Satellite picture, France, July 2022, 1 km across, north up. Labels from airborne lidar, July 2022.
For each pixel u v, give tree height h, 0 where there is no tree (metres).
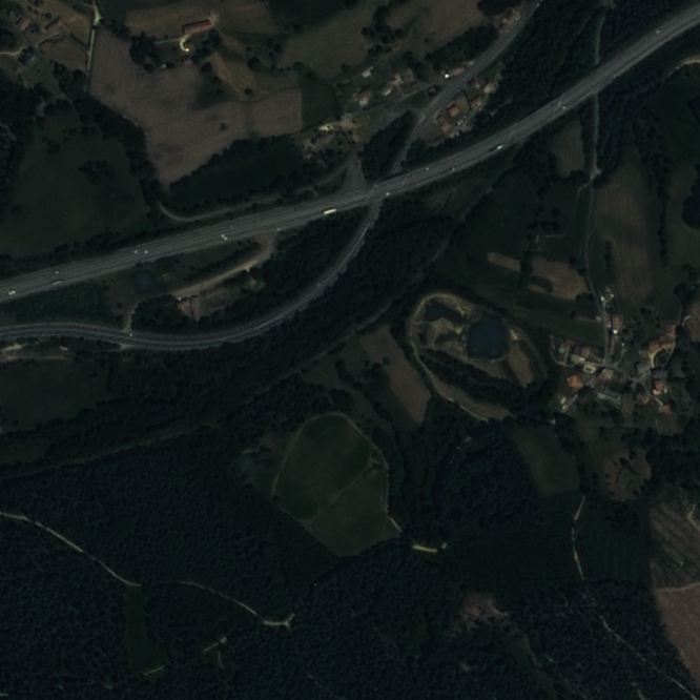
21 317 6
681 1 14
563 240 0
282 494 0
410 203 14
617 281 0
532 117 0
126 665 22
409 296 8
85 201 0
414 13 0
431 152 12
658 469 17
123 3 0
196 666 15
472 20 0
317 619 22
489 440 35
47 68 0
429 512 22
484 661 25
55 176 0
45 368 0
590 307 0
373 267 16
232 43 0
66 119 0
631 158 0
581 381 0
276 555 8
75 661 14
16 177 14
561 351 0
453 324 0
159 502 19
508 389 16
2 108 10
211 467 7
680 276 0
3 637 17
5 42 29
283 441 0
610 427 0
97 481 23
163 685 14
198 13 0
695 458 13
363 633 26
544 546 8
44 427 15
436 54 6
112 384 16
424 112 0
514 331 0
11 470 18
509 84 13
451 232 9
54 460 15
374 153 14
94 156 0
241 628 15
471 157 0
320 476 0
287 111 0
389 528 0
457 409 13
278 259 12
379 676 20
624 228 0
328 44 0
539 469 0
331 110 0
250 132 0
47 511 25
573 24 14
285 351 18
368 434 7
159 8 0
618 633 22
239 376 20
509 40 0
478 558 10
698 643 0
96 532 18
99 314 11
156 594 13
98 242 8
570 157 0
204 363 8
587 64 14
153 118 0
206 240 0
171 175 0
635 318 0
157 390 7
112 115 20
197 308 0
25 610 15
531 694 22
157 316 12
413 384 0
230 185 0
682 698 18
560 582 8
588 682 20
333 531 0
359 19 0
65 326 0
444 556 16
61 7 0
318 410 8
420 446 6
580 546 6
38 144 0
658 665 19
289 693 13
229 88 0
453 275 0
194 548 25
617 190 0
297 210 0
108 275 0
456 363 16
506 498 31
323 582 20
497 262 0
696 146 0
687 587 0
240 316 15
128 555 22
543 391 16
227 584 26
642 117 18
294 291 14
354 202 0
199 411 17
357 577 31
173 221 0
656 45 0
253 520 10
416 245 20
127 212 0
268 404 11
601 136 11
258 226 0
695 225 31
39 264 8
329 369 0
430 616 18
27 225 0
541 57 22
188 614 12
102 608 27
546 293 0
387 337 0
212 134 0
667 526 0
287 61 0
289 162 0
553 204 0
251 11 0
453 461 29
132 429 19
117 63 0
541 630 7
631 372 0
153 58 21
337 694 18
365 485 0
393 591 29
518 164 15
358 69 0
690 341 0
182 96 0
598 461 0
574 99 0
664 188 16
